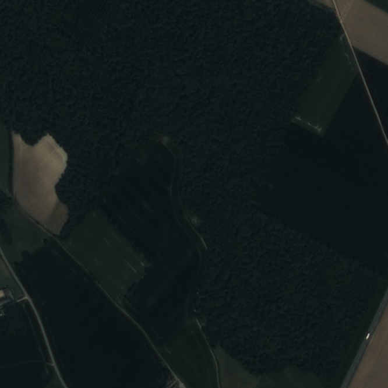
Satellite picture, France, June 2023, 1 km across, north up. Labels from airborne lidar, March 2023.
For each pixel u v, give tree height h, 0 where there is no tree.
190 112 16
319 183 0
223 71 24
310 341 21
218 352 0
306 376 0
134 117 23
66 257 0
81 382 0
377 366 0
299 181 0
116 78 25
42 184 0
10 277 0
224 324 24
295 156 0
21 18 25
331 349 18
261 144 24
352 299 9
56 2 23
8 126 16
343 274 24
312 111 0
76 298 0
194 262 0
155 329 0
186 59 24
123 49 25
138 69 23
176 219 0
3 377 0
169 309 0
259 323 17
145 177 0
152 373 0
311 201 0
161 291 0
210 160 16
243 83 33
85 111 18
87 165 26
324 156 0
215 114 22
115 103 24
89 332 0
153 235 0
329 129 0
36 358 0
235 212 22
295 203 0
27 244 0
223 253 23
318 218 0
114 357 0
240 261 16
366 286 23
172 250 0
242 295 19
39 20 20
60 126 19
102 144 22
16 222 0
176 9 20
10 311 24
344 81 0
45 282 0
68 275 0
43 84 18
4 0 22
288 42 22
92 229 0
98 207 17
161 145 0
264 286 19
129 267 0
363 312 21
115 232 0
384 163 0
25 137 18
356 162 0
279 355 16
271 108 23
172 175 0
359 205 0
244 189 24
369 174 0
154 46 25
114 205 0
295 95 19
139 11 25
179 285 0
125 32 26
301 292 23
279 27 26
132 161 0
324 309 21
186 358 0
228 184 24
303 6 26
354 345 0
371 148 0
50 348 0
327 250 23
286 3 20
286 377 0
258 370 12
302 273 24
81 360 0
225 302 21
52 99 23
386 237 0
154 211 0
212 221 25
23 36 19
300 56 17
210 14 22
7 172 0
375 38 0
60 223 0
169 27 22
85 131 23
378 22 0
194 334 0
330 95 0
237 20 15
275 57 18
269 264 23
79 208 19
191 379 0
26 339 0
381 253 0
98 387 0
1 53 25
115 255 0
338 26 20
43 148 0
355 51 0
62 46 22
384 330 0
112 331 0
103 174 26
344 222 0
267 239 25
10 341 0
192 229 0
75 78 22
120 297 0
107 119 21
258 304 23
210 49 17
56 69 19
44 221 0
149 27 22
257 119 23
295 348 22
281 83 22
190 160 23
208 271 13
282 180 0
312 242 23
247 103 27
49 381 0
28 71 15
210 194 21
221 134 24
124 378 0
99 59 24
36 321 0
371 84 0
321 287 23
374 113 0
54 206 0
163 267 0
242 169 21
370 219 0
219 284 11
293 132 0
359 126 0
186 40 22
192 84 23
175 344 0
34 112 28
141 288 0
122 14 22
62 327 0
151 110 27
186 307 0
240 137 30
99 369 0
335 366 23
